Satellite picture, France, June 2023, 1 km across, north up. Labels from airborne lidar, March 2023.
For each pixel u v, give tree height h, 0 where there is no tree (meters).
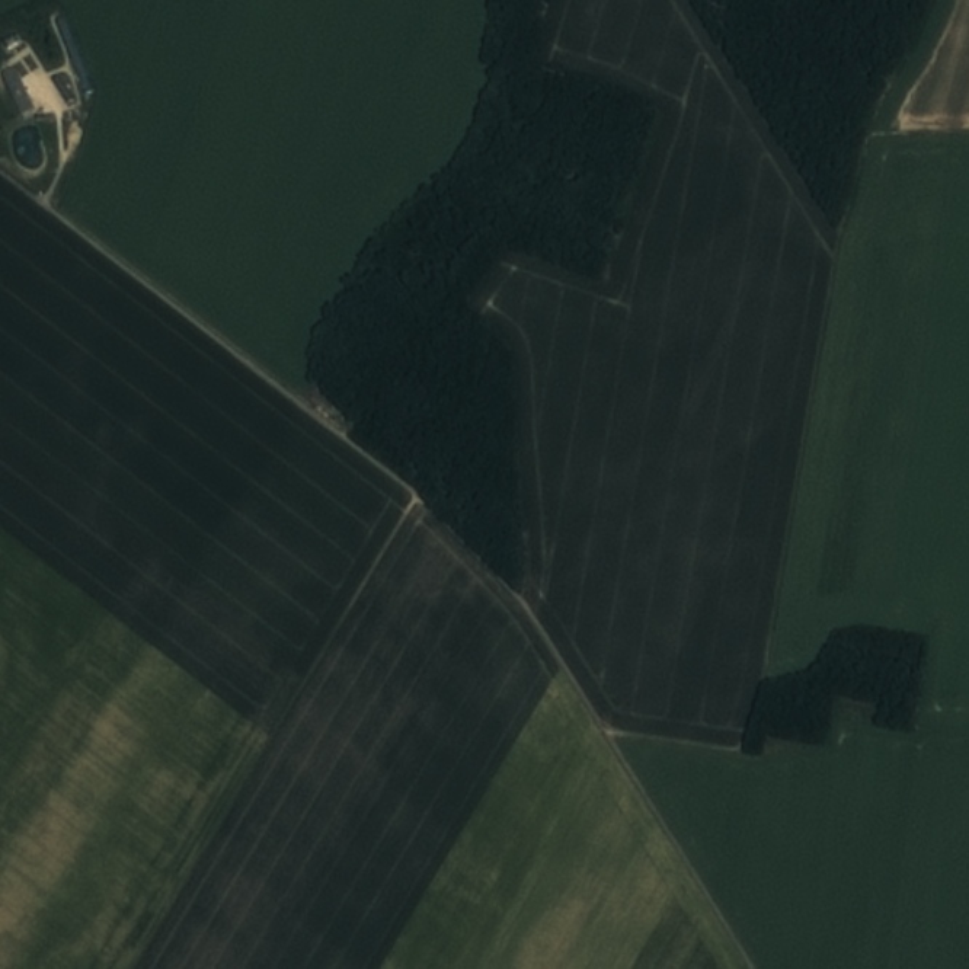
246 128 0
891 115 0
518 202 16
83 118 0
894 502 0
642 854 0
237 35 0
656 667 0
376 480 0
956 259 0
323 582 0
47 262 0
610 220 17
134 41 0
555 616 0
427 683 0
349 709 0
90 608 0
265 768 0
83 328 0
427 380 13
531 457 0
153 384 0
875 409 0
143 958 0
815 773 0
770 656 0
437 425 17
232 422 0
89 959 0
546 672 0
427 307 20
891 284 0
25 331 0
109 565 0
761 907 0
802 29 21
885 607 0
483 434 11
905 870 0
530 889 0
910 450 0
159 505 0
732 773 0
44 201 0
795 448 0
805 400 0
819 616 0
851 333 0
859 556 0
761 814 0
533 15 16
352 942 0
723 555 0
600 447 0
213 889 0
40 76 0
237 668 0
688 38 0
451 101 0
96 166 0
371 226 0
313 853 0
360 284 17
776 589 0
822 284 0
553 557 0
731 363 0
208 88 0
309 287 0
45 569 0
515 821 0
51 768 0
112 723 0
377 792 0
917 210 0
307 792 0
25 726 0
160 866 0
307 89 0
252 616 0
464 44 0
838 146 18
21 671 0
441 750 0
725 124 0
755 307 0
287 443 0
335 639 0
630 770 0
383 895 0
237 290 0
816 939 0
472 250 17
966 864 0
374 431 7
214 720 0
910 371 0
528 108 18
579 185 15
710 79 0
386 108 0
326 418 0
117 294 0
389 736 0
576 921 0
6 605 0
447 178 12
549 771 0
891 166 0
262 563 0
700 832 0
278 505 0
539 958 0
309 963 0
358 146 0
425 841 0
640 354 0
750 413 0
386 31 0
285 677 0
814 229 0
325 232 0
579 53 0
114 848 0
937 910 0
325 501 0
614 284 0
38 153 0
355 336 22
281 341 0
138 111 0
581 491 0
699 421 0
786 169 0
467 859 0
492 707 0
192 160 0
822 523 0
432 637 0
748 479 0
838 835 0
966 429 0
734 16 21
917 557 0
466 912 0
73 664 0
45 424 0
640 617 0
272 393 0
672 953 0
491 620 0
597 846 0
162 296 0
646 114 13
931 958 0
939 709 0
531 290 0
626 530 0
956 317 0
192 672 0
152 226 0
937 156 0
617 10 0
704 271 0
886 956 0
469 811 0
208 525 0
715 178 0
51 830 0
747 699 0
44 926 0
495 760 0
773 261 0
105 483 0
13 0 0
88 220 0
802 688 16
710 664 0
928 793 0
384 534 0
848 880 0
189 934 0
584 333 0
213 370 0
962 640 0
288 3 0
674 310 0
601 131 15
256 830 0
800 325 0
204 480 0
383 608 0
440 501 19
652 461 0
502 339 7
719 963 0
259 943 0
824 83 17
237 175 0
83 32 0
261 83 0
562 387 0
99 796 0
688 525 0
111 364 0
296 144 0
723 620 0
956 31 0
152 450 0
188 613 0
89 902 0
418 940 0
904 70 0
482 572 0
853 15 14
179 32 0
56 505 0
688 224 0
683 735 0
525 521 11
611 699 0
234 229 0
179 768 0
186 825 0
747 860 0
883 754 0
